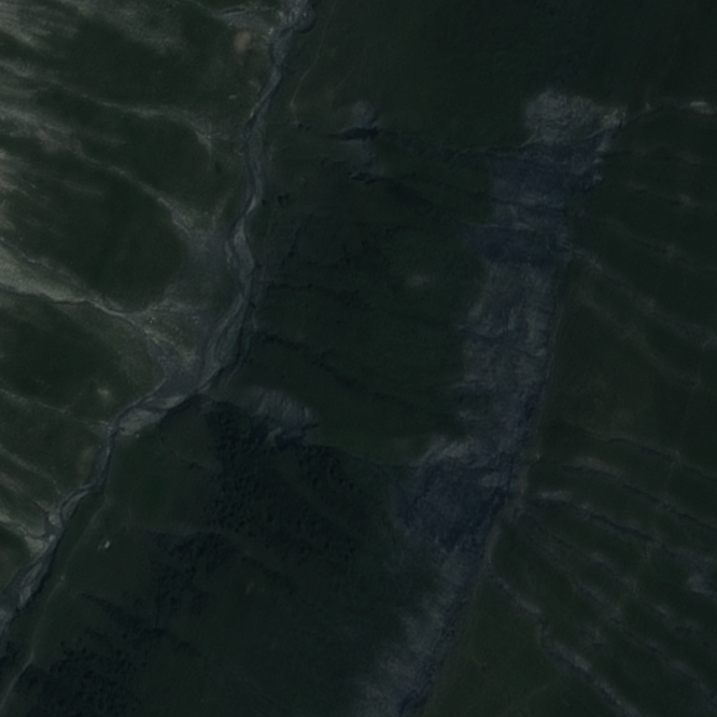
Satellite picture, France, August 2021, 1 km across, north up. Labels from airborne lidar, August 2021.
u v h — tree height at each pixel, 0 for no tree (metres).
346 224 0
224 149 0
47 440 0
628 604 0
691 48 0
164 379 0
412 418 0
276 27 0
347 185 0
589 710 0
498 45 0
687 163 0
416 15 0
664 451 0
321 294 0
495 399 0
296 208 0
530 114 0
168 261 0
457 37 0
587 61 0
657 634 0
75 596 0
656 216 0
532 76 0
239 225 0
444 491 0
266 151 0
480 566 0
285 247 0
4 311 0
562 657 0
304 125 9
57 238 0
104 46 0
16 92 0
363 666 0
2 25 0
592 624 0
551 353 0
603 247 0
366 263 0
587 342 0
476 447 0
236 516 6
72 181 0
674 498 0
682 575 0
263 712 0
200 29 0
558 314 0
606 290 0
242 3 0
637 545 0
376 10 0
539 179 0
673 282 0
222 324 0
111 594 0
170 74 0
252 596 0
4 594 0
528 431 0
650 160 0
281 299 0
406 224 0
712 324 0
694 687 0
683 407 0
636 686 0
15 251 0
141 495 0
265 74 0
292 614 0
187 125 0
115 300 0
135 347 0
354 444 0
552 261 0
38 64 0
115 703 7
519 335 0
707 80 0
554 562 0
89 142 0
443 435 0
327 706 0
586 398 0
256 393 0
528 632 0
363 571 0
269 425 0
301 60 0
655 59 0
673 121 0
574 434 0
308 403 0
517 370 0
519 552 0
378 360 0
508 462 0
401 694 0
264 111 0
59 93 0
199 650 0
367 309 0
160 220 0
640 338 0
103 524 0
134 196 0
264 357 0
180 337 0
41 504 0
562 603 0
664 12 0
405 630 0
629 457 0
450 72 0
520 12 0
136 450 0
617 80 0
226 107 0
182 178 0
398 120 0
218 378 0
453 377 0
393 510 0
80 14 0
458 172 0
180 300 0
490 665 0
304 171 0
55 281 0
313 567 0
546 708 0
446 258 0
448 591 0
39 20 0
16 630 0
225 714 0
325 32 0
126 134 0
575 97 0
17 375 0
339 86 0
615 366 0
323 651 0
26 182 0
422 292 0
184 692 0
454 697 0
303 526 9
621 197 0
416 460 0
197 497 0
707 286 0
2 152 0
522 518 0
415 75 0
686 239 0
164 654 0
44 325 0
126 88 0
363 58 0
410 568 0
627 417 0
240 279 0
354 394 0
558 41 0
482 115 0
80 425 0
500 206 0
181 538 0
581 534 0
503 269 0
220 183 0
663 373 0
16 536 0
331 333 0
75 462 0
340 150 0
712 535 0
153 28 0
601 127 0
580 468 0
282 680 0
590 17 0
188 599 0
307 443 0
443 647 0
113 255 0
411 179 0
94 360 0
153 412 0
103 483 0
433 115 0
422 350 0
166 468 0
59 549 0
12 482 0
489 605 0
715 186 0
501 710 0
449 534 0
